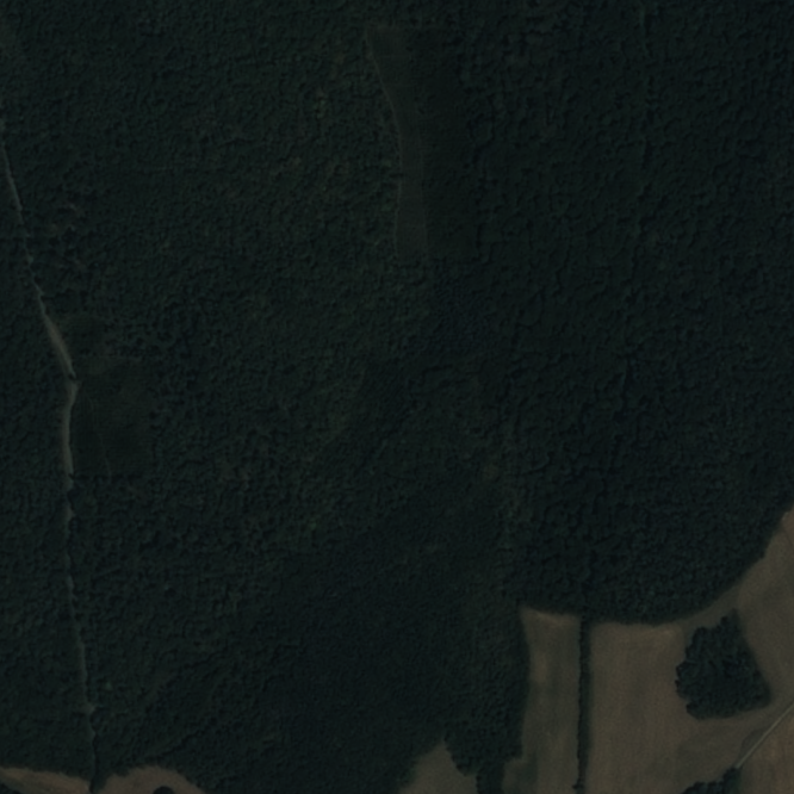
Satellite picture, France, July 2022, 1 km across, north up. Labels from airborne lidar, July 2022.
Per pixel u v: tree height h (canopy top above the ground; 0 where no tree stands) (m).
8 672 22
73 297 22
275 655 7
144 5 15
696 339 25
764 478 27
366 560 12
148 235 14
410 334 15
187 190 12
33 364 15
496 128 23
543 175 23
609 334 24
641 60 23
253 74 15
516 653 13
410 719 16
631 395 27
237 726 7
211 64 11
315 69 12
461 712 16
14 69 10
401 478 14
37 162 14
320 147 12
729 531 22
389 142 9
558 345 23
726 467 20
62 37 17
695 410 25
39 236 22
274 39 14
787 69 24
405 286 13
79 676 18
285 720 16
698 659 16
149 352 15
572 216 25
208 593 16
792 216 21
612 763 0
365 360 8
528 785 0
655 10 17
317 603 16
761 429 23
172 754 11
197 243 11
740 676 21
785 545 0
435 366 10
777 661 0
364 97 12
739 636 20
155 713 15
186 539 13
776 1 12
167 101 14
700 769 0
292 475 16
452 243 6
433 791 0
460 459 14
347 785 14
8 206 17
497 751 14
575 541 24
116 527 13
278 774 14
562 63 29
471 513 11
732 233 26
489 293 22
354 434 7
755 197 23
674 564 21
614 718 0
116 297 9
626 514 27
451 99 8
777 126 18
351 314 12
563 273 28
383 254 15
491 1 28
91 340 7
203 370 22
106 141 14
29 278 16
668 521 20
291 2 12
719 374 22
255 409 14
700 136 19
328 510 16
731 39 22
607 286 19
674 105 21
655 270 20
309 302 12
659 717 0
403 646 12
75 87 12
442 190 7
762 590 0
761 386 23
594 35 22
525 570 23
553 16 30
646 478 18
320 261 16
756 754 0
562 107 21
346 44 13
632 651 0
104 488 16
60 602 14
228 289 16
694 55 20
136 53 15
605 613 19
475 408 18
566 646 0
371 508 15
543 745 0
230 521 14
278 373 14
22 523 18
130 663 17
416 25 23
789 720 0
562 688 0
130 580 18
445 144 6
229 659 12
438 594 12
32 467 13
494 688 12
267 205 15
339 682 15
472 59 9
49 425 18
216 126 11
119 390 13
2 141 12
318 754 15
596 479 26
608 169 21
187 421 19
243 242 15
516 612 11
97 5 14
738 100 15
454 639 12
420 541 13
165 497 14
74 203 22
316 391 15
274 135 12
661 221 19
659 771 0
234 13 8
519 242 24
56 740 23
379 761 12
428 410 19
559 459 28
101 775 18
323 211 11
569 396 19
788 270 18
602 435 24
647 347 23
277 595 17
